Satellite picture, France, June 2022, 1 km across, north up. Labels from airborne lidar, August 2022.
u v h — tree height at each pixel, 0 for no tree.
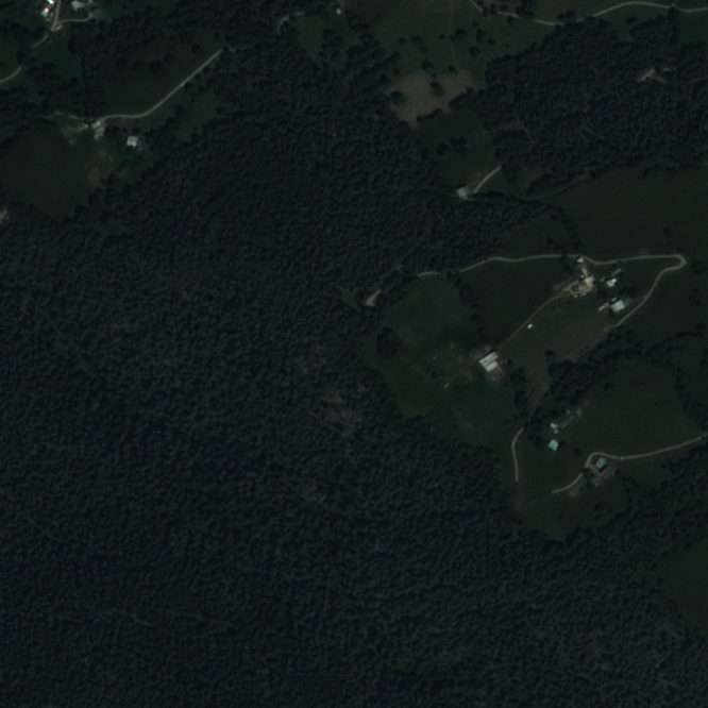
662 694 12
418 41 14
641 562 22
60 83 20
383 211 23
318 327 21
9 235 21
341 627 35
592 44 25
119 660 26
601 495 0
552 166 22
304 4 24
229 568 20
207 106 0
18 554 37
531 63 19
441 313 0
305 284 22
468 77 0
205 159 13
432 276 0
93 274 20
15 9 9
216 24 18
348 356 13
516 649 26
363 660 29
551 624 21
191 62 0
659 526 23
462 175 0
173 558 24
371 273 23
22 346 19
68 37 0
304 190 21
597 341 0
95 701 27
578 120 22
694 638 19
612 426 0
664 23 22
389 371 0
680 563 0
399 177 22
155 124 0
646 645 17
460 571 25
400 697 24
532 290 0
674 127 24
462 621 22
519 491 0
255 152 18
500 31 0
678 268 0
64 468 29
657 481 0
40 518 22
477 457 17
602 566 18
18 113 25
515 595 25
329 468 20
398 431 20
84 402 28
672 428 0
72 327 17
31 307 9
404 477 17
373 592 15
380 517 30
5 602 13
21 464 29
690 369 0
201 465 12
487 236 25
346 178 27
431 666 7
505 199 20
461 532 26
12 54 0
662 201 0
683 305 0
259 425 9
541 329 0
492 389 0
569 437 0
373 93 13
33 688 23
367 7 0
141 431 28
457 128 0
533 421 10
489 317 0
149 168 0
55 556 30
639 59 24
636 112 30
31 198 0
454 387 0
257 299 23
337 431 7
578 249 12
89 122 8
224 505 33
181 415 17
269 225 25
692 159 16
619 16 0
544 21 0
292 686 19
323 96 25
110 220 22
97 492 29
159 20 21
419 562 30
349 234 24
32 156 0
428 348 0
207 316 28
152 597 17
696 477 11
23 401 16
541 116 28
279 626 28
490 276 0
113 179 13
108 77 20
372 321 17
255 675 28
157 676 26
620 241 0
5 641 27
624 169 10
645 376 0
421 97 0
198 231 16
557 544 15
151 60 0
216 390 23
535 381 0
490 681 18
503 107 19
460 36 13
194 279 11
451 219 16
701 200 0
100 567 21
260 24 26
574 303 0
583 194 0
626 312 0
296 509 33
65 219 0
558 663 26
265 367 22
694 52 21
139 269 19
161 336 12
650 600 18
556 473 0
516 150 23
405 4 0
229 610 23
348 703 28
